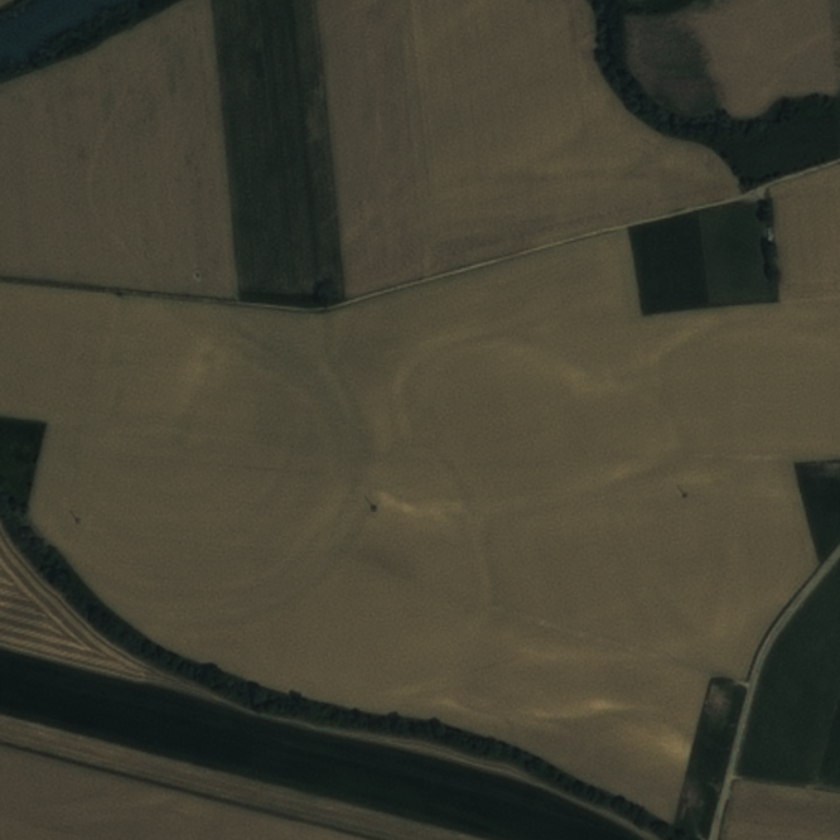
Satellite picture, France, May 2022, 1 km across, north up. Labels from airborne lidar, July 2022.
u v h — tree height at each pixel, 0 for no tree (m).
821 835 0
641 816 20
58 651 0
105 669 0
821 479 0
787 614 0
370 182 0
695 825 0
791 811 0
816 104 10
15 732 0
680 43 0
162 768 0
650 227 0
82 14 0
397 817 0
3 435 0
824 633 0
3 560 0
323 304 22
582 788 16
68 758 0
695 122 8
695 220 0
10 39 0
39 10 0
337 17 0
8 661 0
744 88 0
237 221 0
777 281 11
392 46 0
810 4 0
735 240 0
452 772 0
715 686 0
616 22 29
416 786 0
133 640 6
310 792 0
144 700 0
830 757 0
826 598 0
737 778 0
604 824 0
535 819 0
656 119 20
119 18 6
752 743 0
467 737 12
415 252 0
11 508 17
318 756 0
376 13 0
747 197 0
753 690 0
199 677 18
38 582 0
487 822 0
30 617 0
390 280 0
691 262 0
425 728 18
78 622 0
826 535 0
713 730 0
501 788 0
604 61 20
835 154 0
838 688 0
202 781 0
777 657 0
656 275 0
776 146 0
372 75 0
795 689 0
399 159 0
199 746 0
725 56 0
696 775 0
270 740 0
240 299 0
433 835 0
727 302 0
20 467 0
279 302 0
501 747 17
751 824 0
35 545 16
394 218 0
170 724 0
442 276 0
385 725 12
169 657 13
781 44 0
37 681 0
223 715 0
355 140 0
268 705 16
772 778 0
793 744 0
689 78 0
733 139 8
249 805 0
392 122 0
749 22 0
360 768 0
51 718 0
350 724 8
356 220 0
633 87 25
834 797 0
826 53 0
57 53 16
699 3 0
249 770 0
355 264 0
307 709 29
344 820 0
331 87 0
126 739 0
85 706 0
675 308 0
